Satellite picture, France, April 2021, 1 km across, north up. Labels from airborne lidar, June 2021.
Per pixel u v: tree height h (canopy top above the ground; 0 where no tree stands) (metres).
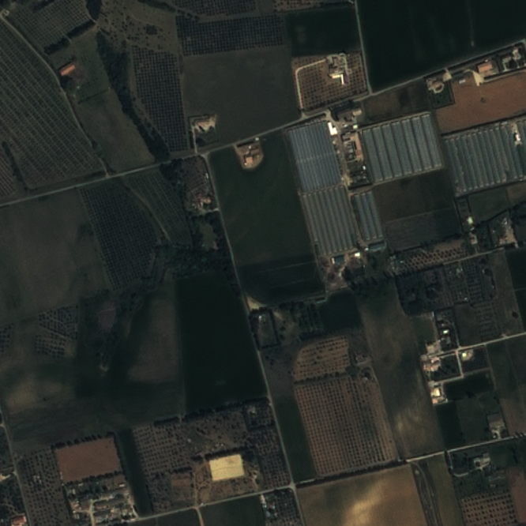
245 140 0
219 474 0
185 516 0
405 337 0
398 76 0
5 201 0
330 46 0
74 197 0
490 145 0
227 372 0
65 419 0
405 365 0
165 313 0
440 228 0
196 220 15
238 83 0
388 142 0
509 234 0
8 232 0
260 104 0
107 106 0
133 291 5
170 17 0
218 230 10
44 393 0
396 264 0
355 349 0
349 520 0
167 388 0
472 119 0
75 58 12
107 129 0
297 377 0
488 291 0
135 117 8
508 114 0
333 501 0
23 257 0
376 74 0
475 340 0
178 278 7
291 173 0
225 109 0
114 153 0
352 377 6
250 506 0
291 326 0
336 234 0
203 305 0
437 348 0
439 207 0
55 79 0
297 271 0
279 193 0
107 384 0
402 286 13
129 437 0
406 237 0
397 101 0
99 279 0
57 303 0
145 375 0
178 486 0
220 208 0
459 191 0
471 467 9
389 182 0
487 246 8
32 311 0
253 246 0
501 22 0
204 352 0
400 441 0
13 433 0
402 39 0
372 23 0
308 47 0
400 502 0
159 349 0
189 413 0
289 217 0
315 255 0
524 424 0
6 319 0
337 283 0
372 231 0
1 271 0
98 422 0
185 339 0
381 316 0
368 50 0
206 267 9
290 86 0
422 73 0
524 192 0
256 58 0
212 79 0
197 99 0
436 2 0
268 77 0
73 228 0
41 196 0
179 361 0
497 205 0
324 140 0
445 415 0
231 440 0
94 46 0
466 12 0
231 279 9
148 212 0
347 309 0
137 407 0
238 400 0
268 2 0
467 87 0
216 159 0
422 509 0
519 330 0
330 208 0
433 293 13
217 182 0
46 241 0
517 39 0
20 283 0
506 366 0
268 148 0
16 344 0
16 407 0
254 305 0
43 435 0
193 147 7
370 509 0
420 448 0
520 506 0
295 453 0
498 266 0
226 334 0
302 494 0
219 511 0
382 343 0
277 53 0
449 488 0
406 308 13
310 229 0
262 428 9
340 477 8
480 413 0
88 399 0
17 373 0
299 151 0
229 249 7
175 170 8
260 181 0
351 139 0
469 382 0
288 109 0
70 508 8
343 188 0
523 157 0
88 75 0
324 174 0
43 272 0
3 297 0
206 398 0
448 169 0
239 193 0
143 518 0
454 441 0
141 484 0
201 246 7
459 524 0
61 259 0
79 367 0
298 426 0
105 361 10
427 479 0
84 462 0
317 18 0
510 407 0
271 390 0
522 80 0
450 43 0
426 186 0
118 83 11
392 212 0
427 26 0
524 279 0
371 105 0
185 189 6
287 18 0
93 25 15
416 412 0
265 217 0
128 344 0
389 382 0
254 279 0
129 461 0
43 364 0
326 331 0
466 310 0
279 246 0
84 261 0
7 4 25
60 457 0
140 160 0
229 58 0
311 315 11
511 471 0
